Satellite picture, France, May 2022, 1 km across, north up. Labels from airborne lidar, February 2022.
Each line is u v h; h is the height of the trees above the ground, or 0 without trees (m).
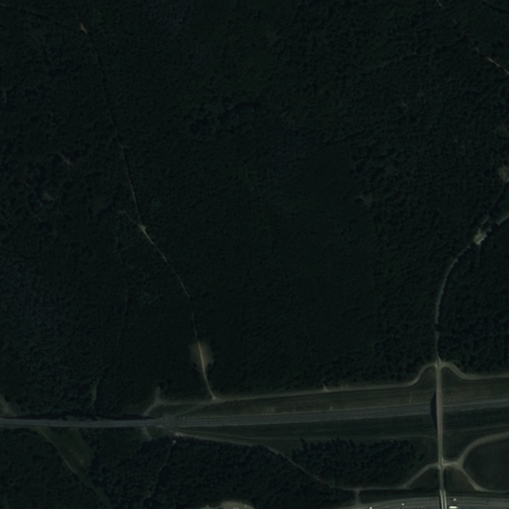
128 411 0
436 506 0
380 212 11
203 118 11
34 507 30
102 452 23
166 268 18
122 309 20
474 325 28
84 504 22
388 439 0
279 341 20
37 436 12
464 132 11
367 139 13
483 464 0
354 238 7
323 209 13
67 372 22
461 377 0
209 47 12
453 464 0
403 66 9
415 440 0
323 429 0
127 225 20
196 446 22
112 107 19
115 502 24
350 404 0
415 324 13
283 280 14
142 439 0
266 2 13
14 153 30
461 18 19
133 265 17
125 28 0
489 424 0
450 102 12
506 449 0
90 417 13
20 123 18
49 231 34
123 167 18
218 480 25
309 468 25
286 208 10
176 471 26
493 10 19
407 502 0
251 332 16
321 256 13
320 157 13
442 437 0
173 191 16
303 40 15
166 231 20
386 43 8
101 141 18
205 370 0
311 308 13
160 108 21
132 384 19
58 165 17
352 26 16
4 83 16
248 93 7
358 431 0
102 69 17
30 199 26
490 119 12
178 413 0
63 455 0
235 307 15
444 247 10
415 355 13
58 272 21
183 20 22
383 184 8
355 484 13
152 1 24
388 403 0
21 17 17
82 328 21
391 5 9
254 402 0
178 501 28
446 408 0
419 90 7
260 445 0
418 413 0
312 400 0
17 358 31
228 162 0
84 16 15
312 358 16
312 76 16
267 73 10
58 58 14
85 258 29
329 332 12
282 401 0
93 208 0
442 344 14
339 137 10
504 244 15
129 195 12
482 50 13
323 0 29
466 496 0
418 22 15
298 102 10
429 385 0
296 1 20
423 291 9
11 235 22
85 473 6
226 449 13
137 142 20
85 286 20
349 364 17
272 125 15
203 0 15
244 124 23
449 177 14
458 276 16
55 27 19
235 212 19
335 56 10
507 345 31
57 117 16
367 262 11
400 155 9
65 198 28
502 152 18
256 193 12
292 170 17
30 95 18
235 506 0
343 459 27
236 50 10
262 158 17
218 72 12
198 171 0
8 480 16
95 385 0
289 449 0
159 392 0
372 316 11
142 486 30
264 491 24
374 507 0
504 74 13
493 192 18
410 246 8
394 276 10
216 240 21
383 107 6
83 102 15
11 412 0
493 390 0
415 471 0
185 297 15
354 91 7
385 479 19
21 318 29
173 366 14
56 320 23
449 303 14
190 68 17
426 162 11
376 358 13
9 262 25
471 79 12
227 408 0
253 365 15
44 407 25
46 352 23
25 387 27
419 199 14
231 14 12
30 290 24
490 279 16
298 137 14
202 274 0
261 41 14
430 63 9
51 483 16
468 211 15
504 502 0
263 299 18
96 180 14
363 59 10
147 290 23
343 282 11
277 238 14
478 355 27
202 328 12
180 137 15
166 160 18
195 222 0
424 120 10
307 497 20
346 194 13
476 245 14
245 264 21
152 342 15
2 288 24
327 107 10
